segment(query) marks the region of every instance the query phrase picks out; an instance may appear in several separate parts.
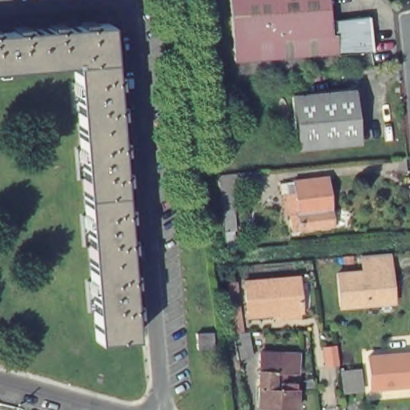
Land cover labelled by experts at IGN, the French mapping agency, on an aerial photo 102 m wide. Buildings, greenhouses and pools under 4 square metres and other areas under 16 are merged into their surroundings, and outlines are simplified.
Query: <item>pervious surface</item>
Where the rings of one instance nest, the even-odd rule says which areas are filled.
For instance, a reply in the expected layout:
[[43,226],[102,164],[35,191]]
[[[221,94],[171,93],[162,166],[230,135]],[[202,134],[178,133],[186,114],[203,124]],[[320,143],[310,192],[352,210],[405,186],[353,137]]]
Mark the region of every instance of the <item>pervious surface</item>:
[[146,335],[143,349],[146,389],[143,396],[135,400],[107,396],[101,392],[78,388],[74,384],[26,372],[14,370],[13,375],[24,376],[29,380],[58,386],[78,394],[90,394],[99,399],[136,407],[146,402],[154,383],[151,340],[149,335]]

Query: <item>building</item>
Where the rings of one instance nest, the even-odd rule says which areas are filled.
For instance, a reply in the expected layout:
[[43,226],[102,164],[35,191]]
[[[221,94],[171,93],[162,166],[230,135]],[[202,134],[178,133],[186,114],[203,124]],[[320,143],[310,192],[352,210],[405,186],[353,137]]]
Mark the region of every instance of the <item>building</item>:
[[295,101],[291,104],[295,123],[295,127],[299,128],[301,149],[304,152],[311,152],[359,147],[364,146],[364,139],[359,91],[311,94],[295,96]]
[[282,141],[288,141],[295,135],[290,125],[285,120],[274,117],[263,117],[261,123],[267,131],[277,131]]
[[231,0],[234,61],[239,64],[261,64],[271,61],[285,61],[287,67],[296,64],[298,59],[349,53],[376,51],[373,21],[364,18],[335,21],[332,0]]
[[74,74],[77,104],[75,107],[78,117],[78,143],[74,149],[75,179],[80,178],[83,181],[83,207],[86,211],[85,216],[80,216],[80,239],[82,247],[90,256],[88,266],[91,275],[90,282],[85,282],[86,311],[93,314],[94,336],[102,348],[135,348],[135,344],[138,344],[139,348],[143,349],[146,335],[143,333],[143,304],[139,290],[135,205],[131,189],[127,104],[123,90],[119,30],[102,24],[0,34],[0,80],[8,82],[19,80],[26,74],[50,74],[62,70],[70,70]]
[[224,234],[227,242],[232,242],[237,229],[235,219],[235,210],[229,207],[226,211]]
[[237,175],[227,175],[219,178],[218,187],[227,195],[227,199],[231,200]]
[[372,394],[380,396],[381,394],[383,394],[383,391],[392,391],[392,389],[408,389],[408,391],[410,391],[410,356],[375,354],[373,351],[372,351]]
[[239,340],[232,340],[235,343],[235,372],[242,372],[242,368],[240,360],[245,360],[248,365],[255,360],[256,352],[251,349],[250,336],[255,333],[245,333],[245,327],[250,327],[247,319],[303,317],[304,309],[303,280],[299,275],[247,282],[235,280],[231,287],[237,293],[242,293],[245,301],[242,306],[237,307],[235,314],[239,333]]
[[367,376],[364,378],[360,370],[344,370],[343,376],[344,394],[367,394]]
[[199,333],[199,340],[195,340],[195,349],[202,351],[215,351],[215,336],[218,336],[216,333]]
[[340,365],[340,356],[335,346],[323,346],[324,368],[336,368]]
[[343,266],[343,272],[336,275],[336,290],[341,311],[378,307],[388,314],[392,312],[392,307],[397,306],[397,280],[392,255],[376,255],[338,258],[338,264]]
[[283,219],[295,237],[335,229],[335,207],[332,181],[330,178],[311,178],[282,184],[279,205],[282,207]]
[[298,352],[264,351],[261,354],[263,410],[306,410],[306,392],[316,384],[314,380],[306,381],[301,367],[301,354]]

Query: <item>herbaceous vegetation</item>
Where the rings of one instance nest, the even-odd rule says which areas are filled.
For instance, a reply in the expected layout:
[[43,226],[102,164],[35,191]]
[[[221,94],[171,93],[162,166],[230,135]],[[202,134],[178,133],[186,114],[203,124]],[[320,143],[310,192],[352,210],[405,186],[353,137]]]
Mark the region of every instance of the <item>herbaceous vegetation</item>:
[[226,410],[223,375],[211,373],[211,364],[203,359],[202,351],[195,349],[195,340],[199,340],[199,333],[216,333],[213,328],[210,298],[204,248],[195,250],[194,247],[179,247],[184,327],[189,360],[189,389],[184,389],[181,394],[176,392],[173,397],[179,410]]
[[373,410],[410,410],[410,397],[407,397],[407,399],[381,400]]
[[328,381],[319,375],[314,333],[309,332],[304,325],[250,327],[245,327],[245,333],[255,333],[264,335],[264,351],[298,352],[301,354],[301,367],[306,381],[314,380],[316,384],[322,384],[325,388]]
[[[376,255],[392,255],[397,280],[397,306],[392,307],[392,312],[388,314],[378,307],[341,311],[336,290],[336,275],[343,272],[343,266],[338,264],[338,258]],[[316,303],[314,290],[317,283],[322,283],[325,317],[330,330],[343,336],[344,352],[341,352],[340,356],[340,365],[336,368],[336,378],[343,376],[344,370],[360,370],[364,378],[367,376],[367,370],[362,362],[362,351],[372,351],[373,351],[375,348],[388,348],[392,336],[410,336],[410,237],[407,234],[392,237],[376,237],[370,234],[330,239],[325,242],[295,242],[287,247],[258,248],[248,251],[245,258],[234,258],[239,267],[239,271],[235,272],[235,280],[247,282],[299,275],[303,280],[304,309],[311,309],[312,304]]]
[[306,162],[349,155],[388,154],[391,151],[405,151],[410,146],[410,115],[404,114],[399,80],[391,83],[386,88],[386,104],[391,109],[389,122],[392,141],[386,141],[384,135],[381,138],[364,139],[364,146],[359,147],[311,152],[304,152],[301,149],[298,154],[279,154],[261,143],[245,141],[239,147],[239,152],[227,151],[227,168],[258,165]]
[[[22,93],[32,88],[35,83],[45,80],[48,75],[53,78],[56,85],[56,96],[50,101],[29,101]],[[43,115],[46,119],[53,120],[56,130],[62,135],[61,143],[56,147],[58,160],[54,162],[53,167],[48,167],[40,173],[34,168],[19,170],[14,160],[8,159],[0,152],[0,210],[10,213],[14,226],[21,231],[8,253],[0,253],[0,328],[8,330],[21,327],[34,343],[43,340],[43,351],[38,352],[26,372],[74,384],[78,388],[101,392],[107,396],[135,400],[143,396],[146,389],[143,349],[139,348],[138,344],[135,344],[135,348],[102,348],[94,336],[93,314],[86,311],[85,282],[90,282],[91,275],[88,266],[90,256],[82,247],[80,239],[80,216],[85,216],[86,211],[83,207],[83,181],[80,178],[75,179],[74,149],[78,143],[78,117],[75,107],[77,104],[74,74],[70,70],[62,70],[50,74],[26,74],[19,80],[8,82],[0,80],[0,125],[6,111],[16,115]],[[27,243],[27,247],[34,247],[37,242],[46,243],[53,250],[53,259],[58,263],[51,271],[51,282],[46,283],[45,287],[38,291],[19,287],[10,272],[16,251],[24,242]]]
[[219,29],[215,58],[223,67],[221,86],[224,93],[231,94],[232,98],[242,101],[248,107],[258,127],[261,123],[263,117],[274,117],[285,120],[290,125],[295,123],[291,104],[264,107],[251,90],[248,75],[240,74],[239,64],[234,61],[231,0],[210,0],[215,5],[213,16]]
[[405,215],[402,221],[397,221],[397,210],[394,210],[386,200],[381,207],[376,203],[376,194],[383,189],[384,178],[380,175],[380,167],[368,167],[357,175],[336,176],[332,181],[335,207],[341,210],[340,189],[344,192],[351,191],[352,183],[356,179],[367,187],[354,197],[354,202],[346,210],[351,216],[348,229],[367,231],[370,227],[410,226],[410,218]]
[[295,237],[283,219],[282,207],[279,205],[267,205],[261,200],[253,207],[255,213],[251,213],[250,218],[245,221],[235,219],[237,229],[243,231],[250,226],[269,229],[269,232],[261,237],[263,242],[279,242]]

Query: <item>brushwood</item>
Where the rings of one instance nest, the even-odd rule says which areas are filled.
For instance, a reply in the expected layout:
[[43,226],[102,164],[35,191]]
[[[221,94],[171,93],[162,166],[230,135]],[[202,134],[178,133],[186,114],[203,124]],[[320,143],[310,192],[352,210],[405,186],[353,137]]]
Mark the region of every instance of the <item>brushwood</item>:
[[223,375],[226,410],[250,410],[243,388],[243,383],[248,381],[247,367],[242,368],[242,372],[235,372],[232,378],[229,372]]
[[216,256],[211,255],[208,248],[204,248],[210,298],[215,296],[215,290],[218,288],[213,269]]
[[314,290],[316,303],[312,304],[311,309],[324,333],[330,330],[325,317],[322,283],[317,283]]
[[322,396],[325,388],[322,384],[316,384],[306,392],[306,410],[324,410]]
[[295,237],[279,242],[263,242],[258,248],[287,247],[295,242],[325,242],[330,239],[370,234],[376,237],[392,237],[407,234],[410,237],[410,226],[370,227],[367,231],[348,229],[335,229]]
[[407,159],[410,162],[410,146],[405,151],[391,151],[388,154],[349,155],[306,162],[258,165],[261,171],[272,171],[348,165],[368,160],[383,160],[384,163],[389,163]]

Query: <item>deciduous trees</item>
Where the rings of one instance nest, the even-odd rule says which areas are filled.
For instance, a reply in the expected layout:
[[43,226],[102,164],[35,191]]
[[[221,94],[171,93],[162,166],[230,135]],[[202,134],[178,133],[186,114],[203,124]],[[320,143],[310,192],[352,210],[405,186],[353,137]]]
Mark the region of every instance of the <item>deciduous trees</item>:
[[397,210],[397,221],[402,221],[405,215],[410,218],[410,178],[407,173],[399,171],[396,183],[384,178],[383,189],[376,194],[376,203],[381,207],[386,200],[394,210]]
[[58,263],[53,259],[53,250],[46,243],[37,242],[34,247],[27,247],[27,243],[24,242],[16,251],[10,272],[19,287],[38,291],[45,287],[46,283],[51,282],[51,271]]
[[53,78],[48,75],[45,80],[35,83],[32,88],[22,93],[29,101],[50,101],[56,96],[56,85]]
[[0,210],[0,253],[8,253],[21,231],[14,226],[10,213]]
[[43,340],[34,343],[21,327],[8,330],[0,328],[0,372],[13,375],[14,370],[26,372],[38,352],[43,351]]
[[288,74],[256,69],[255,74],[248,75],[251,90],[264,107],[291,104],[295,101],[295,96],[311,94],[307,88],[324,78],[357,80],[365,77],[364,67],[360,66],[356,59],[348,58],[349,53],[298,59],[296,64],[301,69]]
[[43,115],[16,115],[6,111],[0,125],[0,152],[8,159],[14,160],[19,170],[34,168],[40,173],[48,167],[53,167],[54,162],[58,160],[56,147],[61,143],[62,135],[56,130],[53,120],[46,119]]
[[323,346],[335,346],[340,356],[341,352],[344,352],[343,336],[330,330],[324,333]]
[[351,191],[344,192],[340,189],[341,210],[346,210],[354,202],[354,197],[367,187],[356,179],[352,183]]
[[[248,251],[258,248],[263,242],[261,237],[269,232],[269,229],[250,226],[243,231],[237,229],[232,242],[227,242],[224,234],[226,211],[229,207],[235,210],[235,219],[245,221],[250,218],[251,213],[255,213],[253,207],[261,200],[261,195],[266,189],[267,176],[271,175],[272,171],[261,171],[258,165],[227,168],[227,151],[239,152],[239,147],[245,141],[261,143],[279,154],[298,154],[301,149],[299,128],[295,127],[295,123],[290,125],[295,135],[288,141],[282,141],[277,131],[267,131],[261,123],[258,127],[248,107],[242,101],[232,98],[231,94],[224,93],[221,86],[223,67],[215,58],[219,29],[213,16],[215,5],[210,0],[146,0],[144,16],[149,32],[152,37],[163,42],[162,53],[152,61],[154,82],[151,88],[152,106],[159,111],[159,117],[154,123],[154,143],[157,146],[157,160],[160,165],[160,195],[163,202],[167,203],[171,210],[175,210],[173,237],[179,247],[194,247],[195,250],[204,248],[208,248],[211,255],[216,256],[213,269],[218,288],[215,290],[215,296],[210,298],[213,328],[216,333],[218,336],[215,336],[215,351],[202,351],[203,359],[211,364],[211,373],[223,375],[229,372],[232,378],[235,372],[235,343],[232,340],[239,340],[239,333],[235,314],[237,307],[242,306],[245,301],[242,293],[237,293],[231,287],[235,280],[235,272],[239,271],[239,267],[234,258],[245,258]],[[219,178],[227,175],[237,175],[231,200],[227,199],[227,195],[218,187]]]
[[338,410],[373,410],[381,400],[380,396],[372,394],[367,394],[344,394],[343,376],[336,378]]
[[399,62],[389,61],[383,66],[370,69],[373,77],[399,74]]

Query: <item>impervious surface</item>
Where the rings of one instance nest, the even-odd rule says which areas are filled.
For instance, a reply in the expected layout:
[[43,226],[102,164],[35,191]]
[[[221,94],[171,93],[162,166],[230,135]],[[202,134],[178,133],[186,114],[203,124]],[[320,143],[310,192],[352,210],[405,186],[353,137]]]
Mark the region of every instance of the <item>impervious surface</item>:
[[264,351],[264,335],[255,333],[250,336],[251,349],[256,352],[255,360],[248,365],[245,360],[240,360],[242,368],[247,367],[248,381],[243,383],[243,388],[250,410],[263,410],[261,354]]
[[367,394],[372,394],[372,351],[362,351],[362,362],[367,370],[367,376]]
[[250,327],[304,325],[309,332],[314,333],[319,375],[328,381],[325,388],[322,396],[324,410],[338,410],[336,378],[336,368],[324,368],[323,346],[324,333],[311,309],[304,309],[303,317],[247,319]]
[[348,229],[351,216],[346,210],[341,210],[335,207],[335,229]]
[[271,61],[261,64],[239,64],[240,74],[248,75],[255,74],[256,69],[288,74],[301,69],[296,64],[287,67],[285,61]]
[[407,159],[389,163],[384,163],[383,160],[368,160],[348,165],[272,171],[271,175],[267,176],[266,189],[261,195],[261,200],[267,205],[279,205],[282,184],[311,178],[330,178],[332,181],[336,176],[357,175],[368,167],[380,167],[380,175],[384,178],[396,183],[399,171],[407,173],[410,178],[410,162]]
[[388,348],[375,348],[373,351],[375,354],[410,356],[410,336],[392,336]]
[[[324,78],[307,88],[311,94],[359,91],[364,139],[381,138],[384,135],[386,141],[392,141],[389,122],[391,109],[386,104],[386,88],[391,83],[399,80],[404,114],[410,115],[410,0],[332,0],[335,21],[364,18],[373,21],[376,51],[349,53],[348,58],[356,59],[360,66],[364,67],[365,77],[357,80]],[[370,69],[383,66],[389,61],[399,62],[399,74],[373,77]]]
[[381,394],[380,396],[381,400],[407,399],[407,397],[410,397],[410,391],[408,391],[408,389],[392,389],[392,391],[383,391],[383,394]]
[[131,189],[135,205],[139,290],[143,304],[143,333],[146,335],[149,335],[151,340],[154,383],[146,402],[136,407],[99,399],[90,394],[78,394],[58,386],[29,380],[24,376],[13,375],[0,372],[0,410],[179,410],[173,397],[176,392],[181,394],[184,389],[189,389],[189,360],[184,327],[179,247],[173,237],[175,210],[171,210],[167,203],[163,202],[160,195],[160,165],[157,160],[157,146],[154,143],[154,123],[159,117],[159,111],[152,106],[151,88],[154,82],[152,61],[162,53],[163,42],[152,37],[149,32],[144,16],[146,0],[0,0],[0,34],[102,24],[119,30],[123,90],[127,104]]

